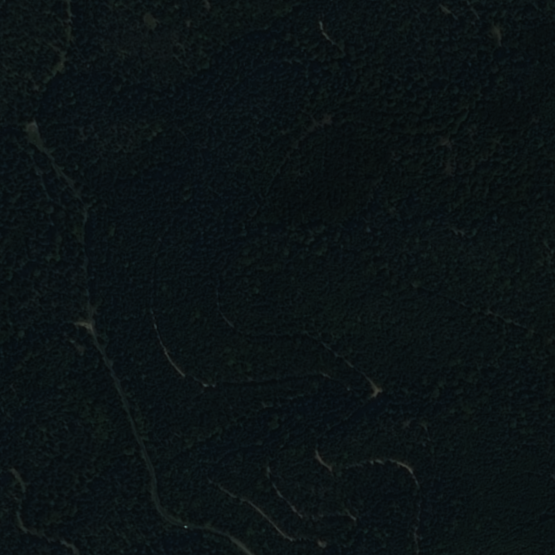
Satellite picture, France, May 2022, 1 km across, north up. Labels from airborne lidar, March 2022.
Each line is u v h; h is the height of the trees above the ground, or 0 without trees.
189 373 17
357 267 23
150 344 21
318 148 14
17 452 30
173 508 12
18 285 23
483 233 20
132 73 28
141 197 24
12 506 32
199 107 22
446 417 19
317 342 25
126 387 17
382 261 24
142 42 19
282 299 15
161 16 12
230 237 24
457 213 17
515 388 24
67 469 32
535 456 16
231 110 22
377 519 29
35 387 14
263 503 17
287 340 26
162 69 23
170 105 27
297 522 25
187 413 20
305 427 20
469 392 30
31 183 32
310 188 15
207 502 13
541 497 13
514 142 7
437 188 8
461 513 25
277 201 14
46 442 17
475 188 15
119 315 17
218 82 28
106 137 19
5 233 33
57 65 12
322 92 18
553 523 12
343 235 29
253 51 26
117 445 19
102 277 26
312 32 20
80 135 26
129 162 17
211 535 15
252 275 28
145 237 22
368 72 33
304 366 24
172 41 18
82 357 6
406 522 27
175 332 19
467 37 9
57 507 39
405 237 27
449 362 17
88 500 30
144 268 18
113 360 13
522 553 9
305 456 25
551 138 14
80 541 30
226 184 24
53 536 29
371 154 14
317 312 14
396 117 14
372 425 20
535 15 20
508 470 13
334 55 27
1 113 27
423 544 14
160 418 23
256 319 13
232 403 29
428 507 29
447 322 18
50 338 26
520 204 14
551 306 15
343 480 17
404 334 16
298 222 16
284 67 26
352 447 11
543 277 22
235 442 21
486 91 26
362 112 16
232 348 18
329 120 0
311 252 26
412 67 26
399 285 23
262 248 26
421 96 22
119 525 25
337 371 20
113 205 22
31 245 33
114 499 10
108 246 24
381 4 26
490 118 14
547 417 24
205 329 20
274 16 21
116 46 20
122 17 18
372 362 19
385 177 15
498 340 13
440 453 14
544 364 11
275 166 11
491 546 6
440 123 20
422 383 21
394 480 15
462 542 9
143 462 27
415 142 8
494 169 16
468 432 13
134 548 22
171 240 20
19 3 19
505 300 22
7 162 23
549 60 13
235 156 28
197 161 27
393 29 19
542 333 14
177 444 21
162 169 35
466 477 17
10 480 29
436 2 31
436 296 20
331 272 20
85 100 31
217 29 20
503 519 12
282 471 18
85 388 16
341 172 17
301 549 14
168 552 33
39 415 21
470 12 29
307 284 18
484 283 18
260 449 18
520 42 12
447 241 19
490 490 15
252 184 9
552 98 7
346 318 8
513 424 20
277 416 17
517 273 18
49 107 29
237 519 16
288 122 21
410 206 26
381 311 16
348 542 23
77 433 29
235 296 20
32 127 0
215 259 29
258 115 29
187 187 28
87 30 25
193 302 22
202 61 24
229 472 19
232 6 20
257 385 18
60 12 17
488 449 14
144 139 8
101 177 20
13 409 20
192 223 29
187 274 17
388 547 26
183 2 19
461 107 12
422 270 21
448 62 31
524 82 16
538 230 17
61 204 22
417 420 22
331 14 19
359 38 21
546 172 11
